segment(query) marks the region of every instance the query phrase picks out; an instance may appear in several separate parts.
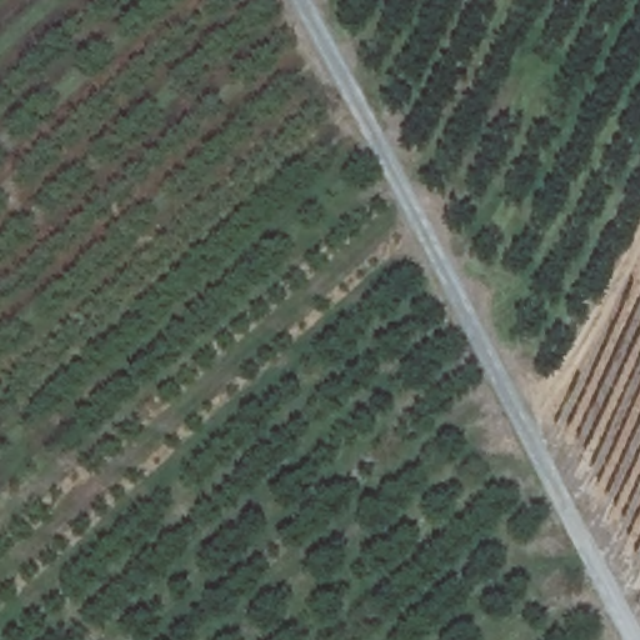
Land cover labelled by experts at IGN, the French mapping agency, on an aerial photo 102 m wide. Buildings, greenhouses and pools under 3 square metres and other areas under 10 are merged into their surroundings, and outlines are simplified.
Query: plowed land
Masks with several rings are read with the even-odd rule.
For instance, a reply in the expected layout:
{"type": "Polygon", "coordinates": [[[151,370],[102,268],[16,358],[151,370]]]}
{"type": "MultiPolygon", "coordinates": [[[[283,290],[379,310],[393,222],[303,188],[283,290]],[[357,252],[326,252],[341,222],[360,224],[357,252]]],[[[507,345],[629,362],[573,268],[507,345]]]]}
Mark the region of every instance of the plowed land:
{"type": "Polygon", "coordinates": [[[618,258],[603,300],[590,308],[583,328],[575,335],[573,348],[563,358],[560,368],[548,378],[555,388],[565,393],[573,373],[588,358],[593,360],[593,353],[605,333],[605,325],[618,305],[618,298],[628,278],[640,278],[640,225],[635,230],[633,245],[618,258]]]}

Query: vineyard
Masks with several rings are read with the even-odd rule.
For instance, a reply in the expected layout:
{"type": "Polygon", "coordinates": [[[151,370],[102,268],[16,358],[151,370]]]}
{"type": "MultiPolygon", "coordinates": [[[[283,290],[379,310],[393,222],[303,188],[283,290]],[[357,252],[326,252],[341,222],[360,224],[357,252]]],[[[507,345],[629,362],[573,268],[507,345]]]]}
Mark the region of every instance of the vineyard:
{"type": "Polygon", "coordinates": [[[593,353],[593,360],[588,358],[573,373],[565,393],[555,388],[548,378],[545,378],[530,398],[535,420],[538,425],[543,425],[548,453],[555,458],[558,473],[568,493],[583,488],[585,498],[575,503],[575,510],[580,513],[585,530],[593,535],[595,545],[603,550],[605,565],[613,573],[620,595],[628,600],[630,613],[640,625],[640,278],[628,278],[618,298],[618,305],[605,325],[605,333],[593,353]]]}

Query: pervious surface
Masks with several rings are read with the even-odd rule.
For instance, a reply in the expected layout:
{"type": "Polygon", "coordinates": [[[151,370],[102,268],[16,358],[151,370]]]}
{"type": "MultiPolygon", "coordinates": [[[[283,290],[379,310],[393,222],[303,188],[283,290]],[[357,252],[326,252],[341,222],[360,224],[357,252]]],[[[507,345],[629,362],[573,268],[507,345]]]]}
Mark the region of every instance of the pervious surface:
{"type": "Polygon", "coordinates": [[[468,393],[473,403],[480,405],[478,428],[485,430],[483,453],[508,453],[523,460],[530,458],[545,488],[545,498],[553,505],[553,513],[568,530],[583,560],[585,575],[600,593],[603,613],[610,615],[623,640],[640,640],[640,625],[630,613],[628,600],[620,595],[613,573],[605,565],[603,550],[595,545],[593,535],[585,530],[580,513],[575,510],[575,503],[585,498],[583,488],[568,493],[558,473],[555,458],[548,453],[543,425],[538,425],[535,420],[530,398],[545,378],[535,373],[535,368],[528,360],[520,360],[520,348],[515,343],[495,338],[490,313],[493,293],[478,280],[460,278],[455,260],[448,250],[450,228],[445,225],[443,213],[448,203],[438,193],[428,190],[423,183],[410,183],[410,178],[405,175],[398,160],[403,118],[398,113],[390,113],[388,105],[373,113],[360,83],[355,80],[358,48],[353,45],[353,40],[338,45],[330,33],[330,25],[323,18],[330,10],[330,0],[283,0],[283,15],[285,23],[295,30],[298,50],[305,60],[305,73],[315,73],[323,85],[335,85],[345,100],[330,115],[330,120],[338,125],[343,135],[355,138],[363,148],[370,148],[378,155],[383,175],[390,185],[390,195],[398,203],[400,220],[395,223],[395,228],[388,230],[388,238],[375,248],[378,258],[383,263],[398,258],[415,260],[425,273],[428,290],[440,303],[445,303],[445,310],[453,315],[455,325],[460,325],[468,335],[468,343],[473,345],[475,358],[483,368],[480,385],[468,393]]]}

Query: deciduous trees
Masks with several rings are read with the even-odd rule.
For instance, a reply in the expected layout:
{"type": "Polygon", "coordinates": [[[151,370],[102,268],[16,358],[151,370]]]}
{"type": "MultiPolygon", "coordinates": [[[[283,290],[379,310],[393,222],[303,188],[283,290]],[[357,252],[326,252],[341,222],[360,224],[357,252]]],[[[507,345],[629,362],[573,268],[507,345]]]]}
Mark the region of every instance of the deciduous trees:
{"type": "Polygon", "coordinates": [[[528,360],[535,368],[535,373],[545,378],[548,378],[560,368],[563,358],[573,348],[575,335],[583,328],[590,308],[603,300],[618,258],[633,245],[635,230],[640,225],[640,0],[330,0],[330,10],[323,18],[330,25],[330,33],[338,45],[353,40],[353,45],[358,48],[355,80],[360,83],[373,113],[388,105],[390,113],[398,113],[403,118],[398,160],[405,175],[410,178],[410,183],[423,183],[428,190],[438,193],[448,203],[443,213],[445,225],[450,228],[448,250],[455,260],[460,278],[478,280],[493,293],[490,313],[495,338],[515,343],[520,348],[520,360],[528,360]]]}
{"type": "Polygon", "coordinates": [[[345,100],[335,85],[323,85],[315,73],[305,73],[305,60],[298,50],[295,30],[285,23],[283,15],[283,0],[0,0],[0,640],[623,640],[610,615],[603,613],[600,593],[585,575],[583,560],[568,530],[553,513],[553,505],[545,498],[545,488],[530,458],[523,460],[508,453],[483,453],[485,430],[478,428],[480,405],[473,403],[468,393],[480,385],[483,368],[475,358],[473,345],[468,343],[468,335],[460,325],[455,325],[453,315],[445,310],[445,303],[440,303],[428,290],[425,273],[415,260],[398,258],[383,263],[378,258],[375,248],[388,238],[388,230],[395,228],[395,223],[400,220],[398,203],[390,195],[390,185],[383,175],[378,155],[370,148],[363,148],[355,138],[343,135],[338,125],[330,120],[330,115],[345,100]]]}

